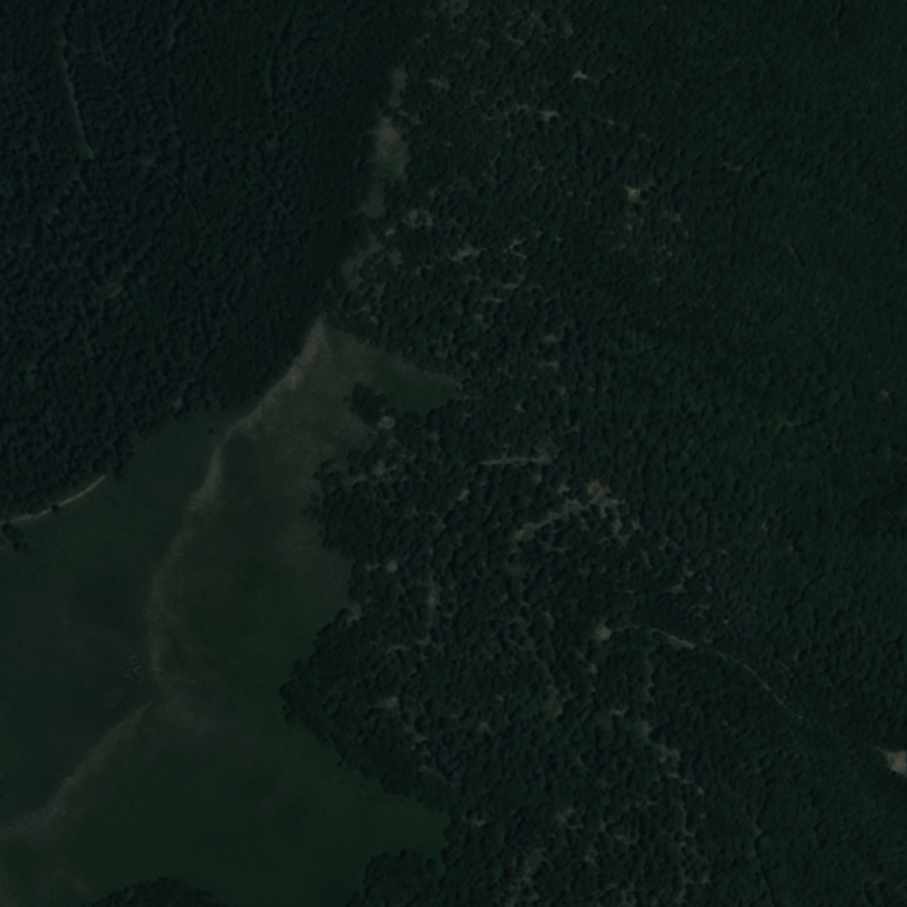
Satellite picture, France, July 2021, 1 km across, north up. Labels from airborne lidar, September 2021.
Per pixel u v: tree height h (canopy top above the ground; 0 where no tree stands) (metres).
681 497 30
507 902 22
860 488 29
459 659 22
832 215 22
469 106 9
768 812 18
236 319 15
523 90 31
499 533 28
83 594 0
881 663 26
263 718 0
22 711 0
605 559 19
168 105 13
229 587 0
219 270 9
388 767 23
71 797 0
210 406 11
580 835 10
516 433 16
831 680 14
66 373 12
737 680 21
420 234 21
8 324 13
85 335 12
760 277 16
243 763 0
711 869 26
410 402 0
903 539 28
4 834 0
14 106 27
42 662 0
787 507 32
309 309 13
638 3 19
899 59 26
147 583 0
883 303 31
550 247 20
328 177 13
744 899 16
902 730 20
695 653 20
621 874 14
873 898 30
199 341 20
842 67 18
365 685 12
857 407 29
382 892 17
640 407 25
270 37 12
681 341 20
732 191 25
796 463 24
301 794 0
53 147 22
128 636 0
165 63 19
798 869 22
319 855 0
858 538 37
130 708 0
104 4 17
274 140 21
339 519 13
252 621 0
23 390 15
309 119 19
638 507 21
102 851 0
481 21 28
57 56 14
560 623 21
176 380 19
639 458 21
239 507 0
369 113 17
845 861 27
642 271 19
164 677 0
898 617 26
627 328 22
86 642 0
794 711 13
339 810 0
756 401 18
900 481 17
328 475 14
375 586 22
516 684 23
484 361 13
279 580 0
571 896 29
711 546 25
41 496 18
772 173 21
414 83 15
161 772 0
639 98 20
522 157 19
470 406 18
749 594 15
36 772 0
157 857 0
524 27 21
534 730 22
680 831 13
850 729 17
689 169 20
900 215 21
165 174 14
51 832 0
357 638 21
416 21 14
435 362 14
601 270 22
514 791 22
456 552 9
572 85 22
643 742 25
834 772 17
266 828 0
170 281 16
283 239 12
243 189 10
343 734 20
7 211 15
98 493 0
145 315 15
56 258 20
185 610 0
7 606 0
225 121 9
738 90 18
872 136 17
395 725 31
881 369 22
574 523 12
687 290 18
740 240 31
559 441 14
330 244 13
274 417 0
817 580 29
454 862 21
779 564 31
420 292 24
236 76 11
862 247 23
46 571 0
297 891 0
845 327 26
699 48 15
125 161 17
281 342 13
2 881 0
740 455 19
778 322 20
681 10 18
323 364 0
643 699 17
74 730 0
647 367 23
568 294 16
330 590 0
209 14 17
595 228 18
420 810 0
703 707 13
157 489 0
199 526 0
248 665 0
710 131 20
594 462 16
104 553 0
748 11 18
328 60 17
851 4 26
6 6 25
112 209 15
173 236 21
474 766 33
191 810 0
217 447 0
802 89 16
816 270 20
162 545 0
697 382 31
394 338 17
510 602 18
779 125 22
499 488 35
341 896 0
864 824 19
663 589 19
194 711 0
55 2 20
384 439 12
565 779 27
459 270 30
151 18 13
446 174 17
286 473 0
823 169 21
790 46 14
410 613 22
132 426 17
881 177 17
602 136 17
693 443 26
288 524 0
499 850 21
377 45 15
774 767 23
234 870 0
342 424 0
